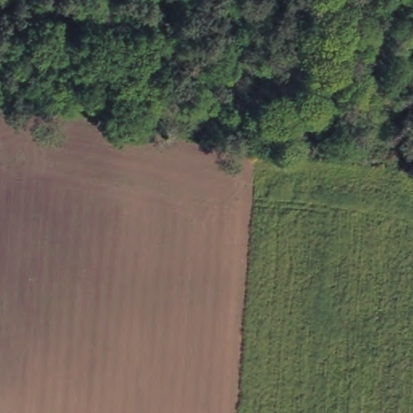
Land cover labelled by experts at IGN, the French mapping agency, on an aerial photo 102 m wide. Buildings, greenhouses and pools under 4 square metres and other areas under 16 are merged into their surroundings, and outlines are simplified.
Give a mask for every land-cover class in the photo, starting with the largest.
<instances>
[{"label":"agricultural land","instance_id":"1","mask_svg":"<svg viewBox=\"0 0 413 413\"><path fill-rule=\"evenodd\" d=\"M0 413H413V179L405 169L398 166H371V158L365 148L353 147L347 155L339 158H311L308 155L307 158H300V165H289L284 168H279L271 161L252 158L242 160L239 174H229L219 169L213 153L202 152L195 142L179 140L176 147L169 150L168 147L156 148L148 142L140 147L116 150L102 136V132L81 116L74 121H66L56 116L45 115L44 118L21 116L13 123L6 124L3 111L0 110Z\"/></svg>","mask_w":413,"mask_h":413},{"label":"coniferous trees","instance_id":"2","mask_svg":"<svg viewBox=\"0 0 413 413\"><path fill-rule=\"evenodd\" d=\"M86 0H0V45L3 42H10L15 47L21 45L29 32L42 31L47 23L65 24L66 44L77 50H81L82 37H100L106 31H113L118 42L137 47H140V37L153 40L163 35L165 39L176 40L173 53L163 56L160 68L148 77V86L155 89L173 86V103L179 106L181 111L187 108L194 110L203 90H210L218 100V105L236 103L240 121L237 126H226L216 118L194 123L174 121L160 116L153 136L148 142L156 148L168 147L169 150L176 147L179 140L195 142L202 152L213 153L219 169L229 174H239L242 160L252 158L247 153L248 145L245 144V140L255 139L263 134L261 115L268 111L269 103L289 98L294 103L295 113H300L303 102L310 97L311 69L324 63H332L329 58H323L324 42L331 32L329 29L332 21H336L339 16L336 11H326L321 16H316L315 5L319 0H108L106 21L98 23L95 19L76 18L77 6ZM245 31L250 35V44L242 50L237 60L248 65V69L242 74L240 81L234 86H215L211 82L200 84L198 77L203 73H211L216 68L213 53L218 50L219 40H234ZM390 0H369L361 6L363 16L358 21L357 31L365 27H381V31L384 32V40L373 63L374 82L381 97L386 94L390 79L397 76L398 56L395 52L400 47V42L394 39L395 32L403 23H410L413 29V13L408 6L403 5L398 6L390 15L379 16L376 8L386 6ZM405 108L400 111H387V121L381 124L378 137L371 136L366 131V119L355 103L340 102L344 94L342 90H337L332 94L334 116L329 121V126L321 132H305L298 139L274 142L269 152L271 161L279 168H284L289 165H300V158H307L308 155L311 158H339L347 155L353 147L365 148L371 158V166H398L405 169L413 179V76L407 90L402 94ZM3 103L0 106V110L3 111L6 124L13 123L21 116L44 118L45 115L37 100L16 98L10 90H3ZM115 103L113 100H105L103 108L95 111V115L82 111L81 116L102 132L106 129V124L110 123Z\"/></svg>","mask_w":413,"mask_h":413},{"label":"deciduous trees","instance_id":"3","mask_svg":"<svg viewBox=\"0 0 413 413\"><path fill-rule=\"evenodd\" d=\"M108 0H86L77 6L76 18L95 19L98 23L106 21ZM369 0H319L315 5L316 16H321L326 11H336L339 16L336 21H332L329 29L331 32L324 42L323 58H329L332 63H324L311 69L310 97L303 102L300 113H295L294 103L289 98L269 103L268 111L261 115L263 134L255 139L245 140V144L248 145L247 153L252 158L271 161L269 152L274 142L298 139L305 132H321L329 126V121L334 116L332 94L337 90H342L344 94L340 102L355 103L366 119V131L371 136L378 137L381 124L387 121V111H400L405 108L402 94L407 90L413 76V29L410 23H403L395 32L394 39L400 42V47L395 52L398 56L397 76L390 79L386 94L381 97L374 82L373 63L384 40V32L381 31V27H365L357 31L358 21L363 16L361 6ZM403 5L408 6L413 13V0H390L386 6L376 8L379 16L390 15L398 6ZM176 40L165 39L163 35L153 40L140 37V47H137L118 42L113 31H106L100 37H82L81 50H77L66 44L65 24L47 23L42 31L29 32L21 45L15 47L10 42H3L0 45V106L3 103V90H10L16 98L37 100L45 115L56 116L66 121H74L81 116L82 111L95 115V111L103 108L105 100H113L115 103L110 123L106 124V129L102 132V136L116 150L140 147L148 142L153 136L160 116L174 121L194 123L216 118L226 126H237L240 121L236 103L218 105V100L210 90H203L194 110L187 108L181 111L179 106L173 103V86L155 89L148 86V77L160 68L163 56L173 53ZM250 44V35L245 31L234 40H219L218 50L213 53L216 68L211 73H203L198 77L200 84L211 82L215 86H234L240 81L242 74L248 69V65L237 60L242 50Z\"/></svg>","mask_w":413,"mask_h":413}]
</instances>
